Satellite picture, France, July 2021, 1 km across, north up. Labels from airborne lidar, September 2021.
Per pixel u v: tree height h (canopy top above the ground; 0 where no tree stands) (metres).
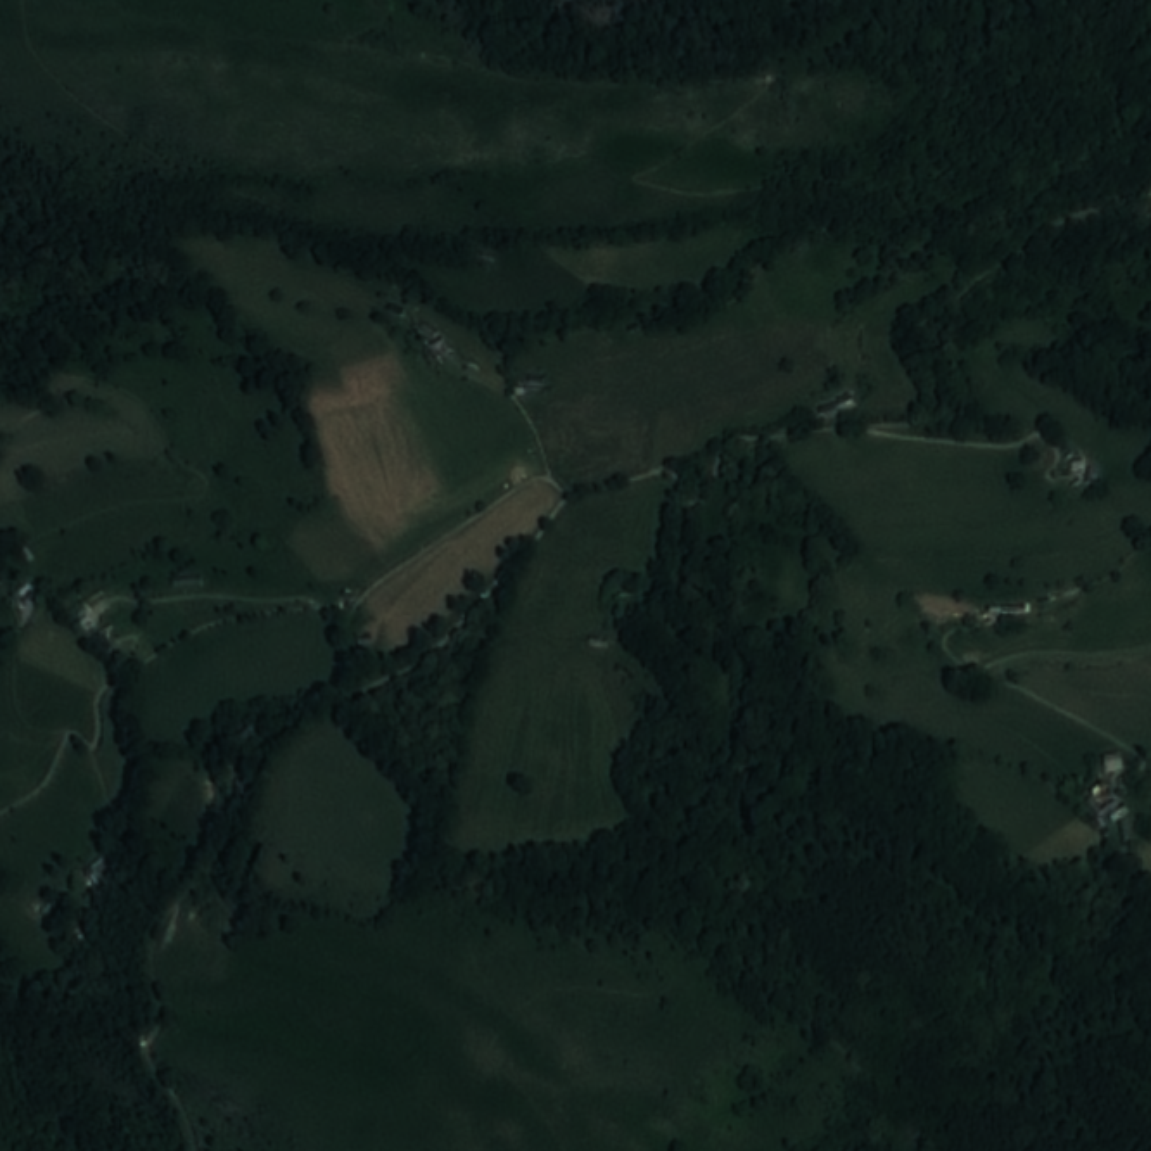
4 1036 24
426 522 0
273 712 7
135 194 13
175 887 18
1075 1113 10
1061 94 17
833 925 13
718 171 0
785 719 31
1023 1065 10
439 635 18
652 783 26
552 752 0
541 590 0
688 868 30
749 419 0
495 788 0
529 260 0
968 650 0
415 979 0
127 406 0
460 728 18
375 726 24
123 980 19
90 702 0
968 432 23
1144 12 29
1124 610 0
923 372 22
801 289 0
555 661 0
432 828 25
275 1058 0
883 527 0
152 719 0
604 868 26
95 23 0
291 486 0
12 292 22
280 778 0
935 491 0
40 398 24
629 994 0
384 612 0
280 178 8
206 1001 0
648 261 0
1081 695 0
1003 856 34
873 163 10
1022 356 9
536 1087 0
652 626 21
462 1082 0
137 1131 13
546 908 13
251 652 0
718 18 26
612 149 0
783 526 8
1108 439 0
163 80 0
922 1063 13
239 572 0
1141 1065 9
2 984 23
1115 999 21
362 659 26
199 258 0
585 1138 0
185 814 0
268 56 0
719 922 9
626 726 0
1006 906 28
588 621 0
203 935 0
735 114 0
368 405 0
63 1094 22
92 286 23
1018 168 31
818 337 0
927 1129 9
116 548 0
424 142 0
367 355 0
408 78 0
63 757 0
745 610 25
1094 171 23
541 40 26
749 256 18
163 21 0
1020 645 0
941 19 21
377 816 0
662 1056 0
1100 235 13
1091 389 32
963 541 0
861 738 33
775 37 17
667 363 0
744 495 18
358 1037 0
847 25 7
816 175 10
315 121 0
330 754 0
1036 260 23
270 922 18
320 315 0
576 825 0
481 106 0
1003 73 19
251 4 0
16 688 0
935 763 30
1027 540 0
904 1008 7
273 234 14
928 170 15
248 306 0
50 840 0
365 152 0
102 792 0
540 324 15
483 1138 0
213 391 0
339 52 0
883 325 0
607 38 18
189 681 0
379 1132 0
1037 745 0
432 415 0
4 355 12
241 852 21
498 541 0
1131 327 12
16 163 16
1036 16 21
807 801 25
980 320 20
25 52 0
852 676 0
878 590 0
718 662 12
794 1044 0
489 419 0
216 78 0
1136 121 30
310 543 0
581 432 0
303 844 0
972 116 19
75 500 0
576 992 0
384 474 0
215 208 10
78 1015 13
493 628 19
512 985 0
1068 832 0
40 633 0
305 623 0
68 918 24
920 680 0
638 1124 0
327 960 0
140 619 13
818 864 11
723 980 8
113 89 0
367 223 0
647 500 0
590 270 0
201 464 0
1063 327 8
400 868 14
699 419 0
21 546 14
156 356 17
